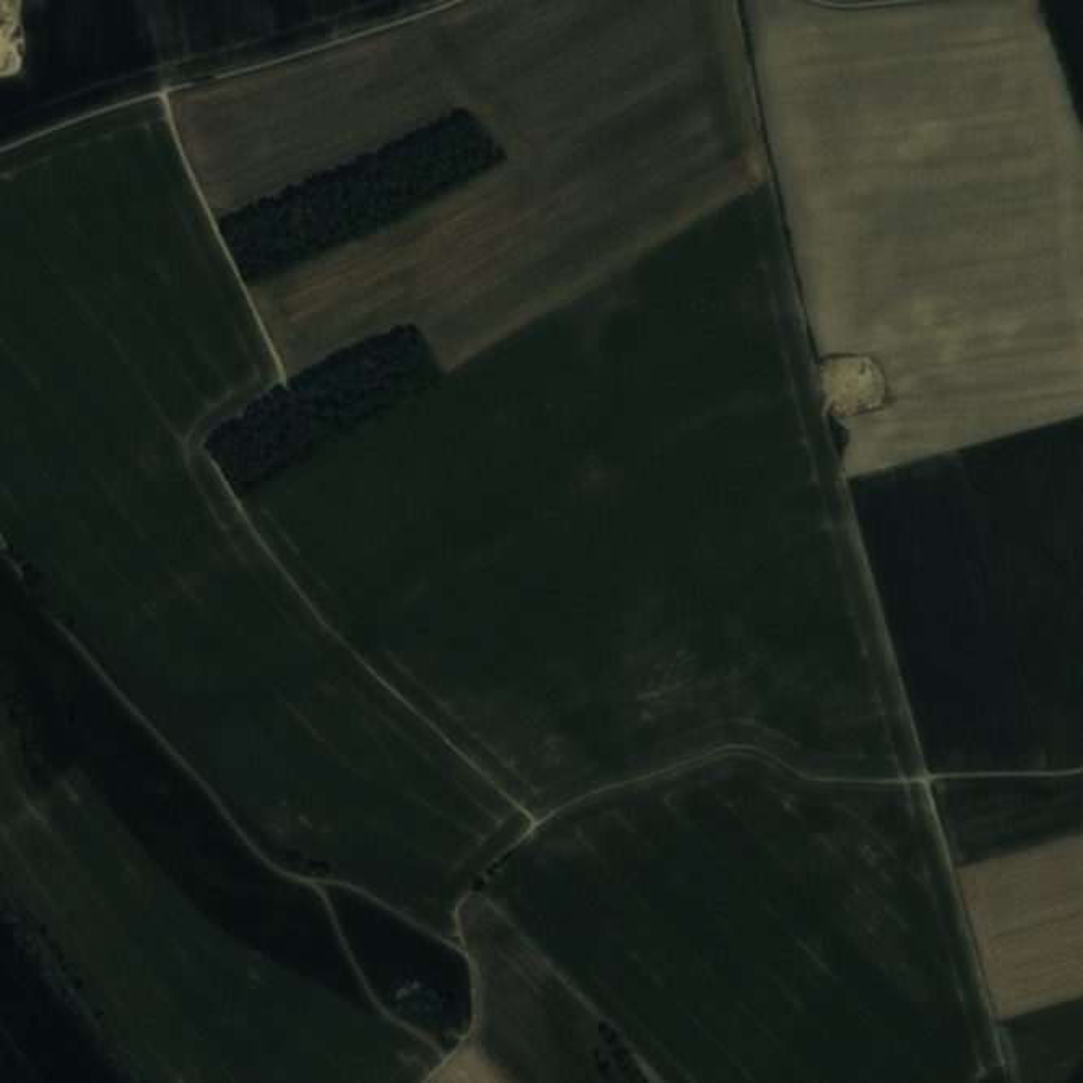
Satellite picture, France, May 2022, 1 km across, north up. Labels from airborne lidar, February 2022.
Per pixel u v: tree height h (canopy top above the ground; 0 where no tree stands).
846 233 0
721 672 0
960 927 0
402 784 0
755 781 0
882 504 0
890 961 0
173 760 0
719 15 0
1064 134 0
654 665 0
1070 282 0
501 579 0
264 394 0
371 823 0
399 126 0
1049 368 0
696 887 0
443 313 0
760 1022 0
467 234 0
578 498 0
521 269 0
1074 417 0
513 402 0
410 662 0
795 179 0
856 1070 0
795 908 0
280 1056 0
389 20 0
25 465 0
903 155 0
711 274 0
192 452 0
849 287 0
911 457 0
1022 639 0
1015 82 0
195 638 0
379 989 0
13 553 9
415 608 0
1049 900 0
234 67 0
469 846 0
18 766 0
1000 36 0
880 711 0
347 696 0
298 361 0
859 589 0
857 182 0
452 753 0
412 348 17
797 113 0
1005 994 0
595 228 0
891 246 0
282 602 0
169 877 0
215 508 0
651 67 0
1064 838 0
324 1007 0
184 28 0
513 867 0
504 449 0
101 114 0
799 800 0
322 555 0
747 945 0
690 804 0
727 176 0
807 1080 0
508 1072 0
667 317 0
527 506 0
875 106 0
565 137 0
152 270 0
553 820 0
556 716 0
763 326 0
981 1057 0
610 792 0
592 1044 0
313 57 0
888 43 0
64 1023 0
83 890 0
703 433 0
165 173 0
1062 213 0
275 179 0
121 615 0
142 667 0
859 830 0
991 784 0
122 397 0
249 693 0
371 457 0
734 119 0
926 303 0
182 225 0
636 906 0
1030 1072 0
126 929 0
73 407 0
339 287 0
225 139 0
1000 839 0
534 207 0
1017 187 0
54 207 0
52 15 0
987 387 0
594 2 0
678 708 0
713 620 0
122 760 0
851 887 0
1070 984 0
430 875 0
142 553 0
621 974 0
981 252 0
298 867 13
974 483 0
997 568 0
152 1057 0
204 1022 0
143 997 0
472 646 0
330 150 0
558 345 0
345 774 0
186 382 0
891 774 0
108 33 0
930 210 0
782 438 0
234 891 0
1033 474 0
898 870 0
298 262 9
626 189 0
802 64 0
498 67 0
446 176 19
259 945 0
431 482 0
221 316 0
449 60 0
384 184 17
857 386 0
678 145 0
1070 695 0
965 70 0
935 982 0
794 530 0
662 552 0
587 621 0
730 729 0
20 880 0
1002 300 0
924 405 0
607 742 0
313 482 0
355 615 0
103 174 0
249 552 0
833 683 0
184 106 0
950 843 0
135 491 0
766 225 0
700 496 0
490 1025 0
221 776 0
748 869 0
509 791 0
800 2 0
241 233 15
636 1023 0
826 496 0
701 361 0
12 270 0
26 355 0
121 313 0
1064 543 0
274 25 0
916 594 0
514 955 0
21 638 0
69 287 0
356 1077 0
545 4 0
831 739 0
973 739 0
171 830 0
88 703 0
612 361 0
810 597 0
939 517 0
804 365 0
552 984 0
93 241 0
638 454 0
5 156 0
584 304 0
